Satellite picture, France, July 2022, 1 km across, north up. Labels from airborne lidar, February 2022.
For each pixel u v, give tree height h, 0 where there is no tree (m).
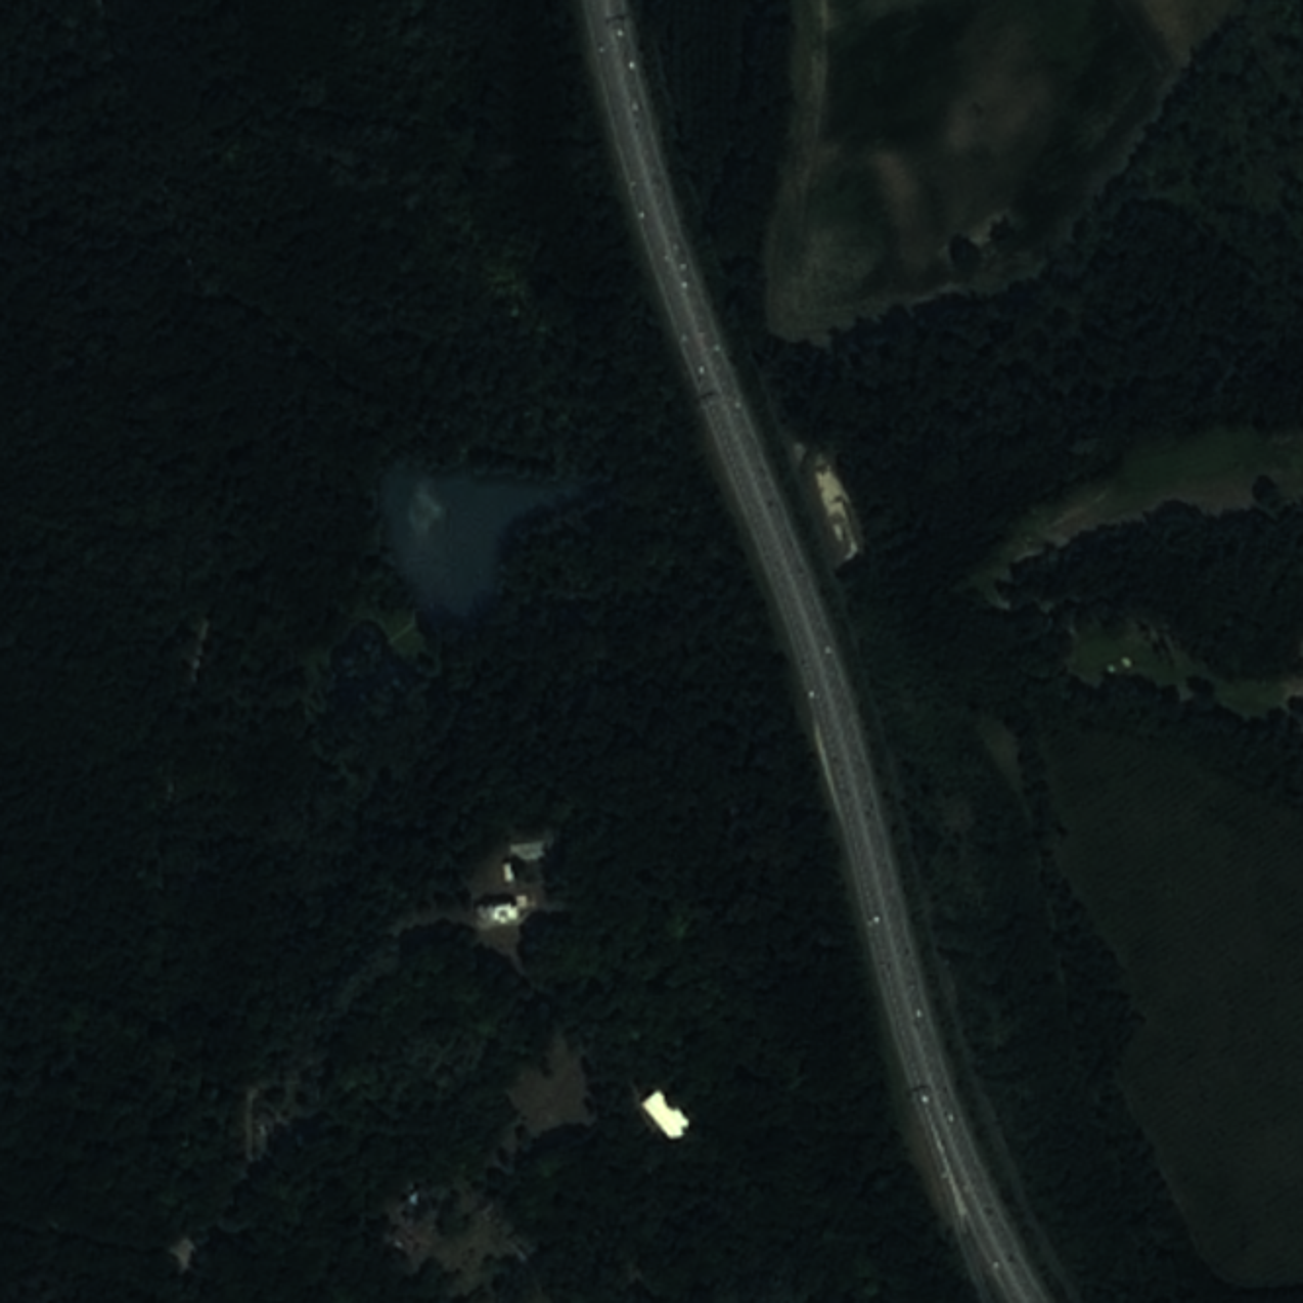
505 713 17
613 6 0
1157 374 25
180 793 10
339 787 32
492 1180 11
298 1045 23
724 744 36
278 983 27
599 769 19
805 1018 24
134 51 27
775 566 0
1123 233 23
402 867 18
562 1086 0
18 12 21
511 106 10
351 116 8
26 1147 22
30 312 17
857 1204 20
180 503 21
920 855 10
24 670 19
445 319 17
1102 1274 9
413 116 9
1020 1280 0
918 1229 25
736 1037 20
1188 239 19
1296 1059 0
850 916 9
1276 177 7
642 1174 17
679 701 33
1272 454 0
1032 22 0
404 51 7
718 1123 27
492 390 16
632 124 0
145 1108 15
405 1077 29
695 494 22
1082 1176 12
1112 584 15
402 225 15
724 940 22
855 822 0
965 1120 0
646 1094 11
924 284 0
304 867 32
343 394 25
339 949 20
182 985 18
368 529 23
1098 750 0
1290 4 8
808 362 17
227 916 28
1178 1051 0
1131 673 0
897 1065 0
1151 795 0
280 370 30
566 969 20
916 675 6
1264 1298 11
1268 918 0
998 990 8
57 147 23
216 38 20
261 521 25
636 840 31
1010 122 0
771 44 41
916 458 21
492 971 28
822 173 0
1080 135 0
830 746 0
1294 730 16
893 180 0
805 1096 22
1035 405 33
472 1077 24
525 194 8
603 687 40
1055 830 8
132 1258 18
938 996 6
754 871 17
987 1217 0
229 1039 30
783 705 19
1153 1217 11
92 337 24
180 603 19
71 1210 18
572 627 35
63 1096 13
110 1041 9
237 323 27
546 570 9
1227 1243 0
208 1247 23
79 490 14
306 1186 23
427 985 22
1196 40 0
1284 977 0
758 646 21
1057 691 21
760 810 26
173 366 20
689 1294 19
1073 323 20
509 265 13
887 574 14
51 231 19
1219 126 29
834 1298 18
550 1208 20
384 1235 12
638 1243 19
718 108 27
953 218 0
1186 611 18
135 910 16
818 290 0
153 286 25
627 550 22
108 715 11
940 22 0
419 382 17
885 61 0
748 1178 17
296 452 27
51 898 15
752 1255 16
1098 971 9
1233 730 18
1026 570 8
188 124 27
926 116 0
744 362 12
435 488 0
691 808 24
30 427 13
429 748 32
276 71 12
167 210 20
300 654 28
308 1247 23
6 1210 14
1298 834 0
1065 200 0
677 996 22
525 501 0
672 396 15
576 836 26
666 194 0
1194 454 0
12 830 19
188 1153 22
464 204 9
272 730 27
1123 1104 15
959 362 28
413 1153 21
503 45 15
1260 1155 0
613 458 22
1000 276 0
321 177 21
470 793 30
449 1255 0
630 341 13
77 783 15
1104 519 0
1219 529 13
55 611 13
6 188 25
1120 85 0
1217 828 0
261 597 20
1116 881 0
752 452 0
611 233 20
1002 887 9
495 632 30
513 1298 18
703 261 7
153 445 18
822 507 0
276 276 12
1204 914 0
